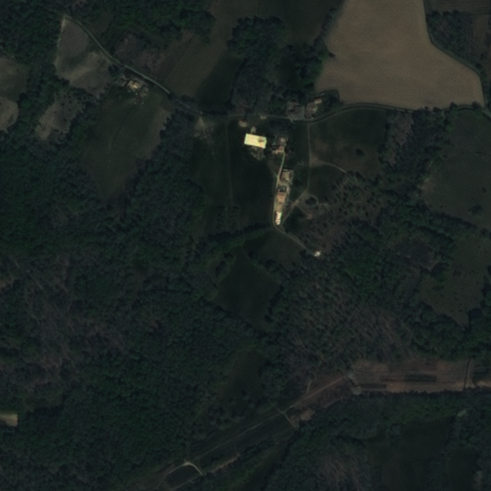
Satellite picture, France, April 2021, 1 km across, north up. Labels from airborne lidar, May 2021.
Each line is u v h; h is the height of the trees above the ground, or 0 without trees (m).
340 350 13
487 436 20
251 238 16
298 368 15
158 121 0
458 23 17
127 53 0
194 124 18
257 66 20
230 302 0
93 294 22
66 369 15
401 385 0
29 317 20
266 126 0
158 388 21
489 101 10
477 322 25
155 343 19
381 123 0
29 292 17
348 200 11
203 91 0
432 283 0
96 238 21
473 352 22
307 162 0
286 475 20
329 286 16
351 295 13
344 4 0
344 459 15
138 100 0
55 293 19
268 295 0
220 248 20
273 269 18
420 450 0
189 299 23
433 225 20
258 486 0
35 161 23
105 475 19
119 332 16
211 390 22
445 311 0
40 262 18
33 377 26
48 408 0
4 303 17
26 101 20
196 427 12
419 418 14
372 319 14
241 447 0
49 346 18
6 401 21
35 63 20
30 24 25
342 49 0
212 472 0
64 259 15
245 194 0
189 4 25
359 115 0
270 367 15
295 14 0
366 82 0
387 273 20
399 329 20
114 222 11
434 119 14
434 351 11
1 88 0
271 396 16
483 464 17
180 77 0
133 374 26
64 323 21
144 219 15
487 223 0
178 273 20
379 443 0
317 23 0
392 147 16
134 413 24
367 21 0
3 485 21
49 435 24
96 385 17
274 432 0
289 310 15
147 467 18
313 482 17
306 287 18
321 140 0
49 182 21
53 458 21
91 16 9
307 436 24
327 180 0
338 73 0
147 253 21
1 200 21
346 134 0
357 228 20
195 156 0
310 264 17
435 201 0
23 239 24
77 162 7
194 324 21
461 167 0
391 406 16
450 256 21
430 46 0
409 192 16
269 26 17
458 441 14
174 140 17
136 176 0
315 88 12
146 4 26
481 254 0
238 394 0
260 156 0
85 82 0
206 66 0
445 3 0
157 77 0
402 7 0
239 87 17
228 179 0
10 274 16
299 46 0
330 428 20
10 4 18
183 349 23
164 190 14
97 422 24
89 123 11
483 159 0
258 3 0
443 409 18
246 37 18
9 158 20
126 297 9
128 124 0
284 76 0
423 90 0
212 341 29
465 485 0
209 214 0
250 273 0
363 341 13
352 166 0
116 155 0
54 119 0
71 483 20
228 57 0
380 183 17
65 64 0
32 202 20
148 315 15
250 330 25
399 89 0
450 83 0
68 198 28
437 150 17
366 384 0
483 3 0
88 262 16
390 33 0
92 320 11
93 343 19
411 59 0
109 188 0
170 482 0
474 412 15
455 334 23
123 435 21
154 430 23
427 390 0
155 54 0
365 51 0
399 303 9
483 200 0
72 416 22
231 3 0
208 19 23
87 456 21
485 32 0
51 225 26
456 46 18
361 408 16
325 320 10
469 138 0
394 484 0
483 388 0
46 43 22
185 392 22
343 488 13
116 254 23
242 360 0
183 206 16
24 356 18
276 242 0
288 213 0
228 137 0
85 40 0
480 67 14
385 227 22
